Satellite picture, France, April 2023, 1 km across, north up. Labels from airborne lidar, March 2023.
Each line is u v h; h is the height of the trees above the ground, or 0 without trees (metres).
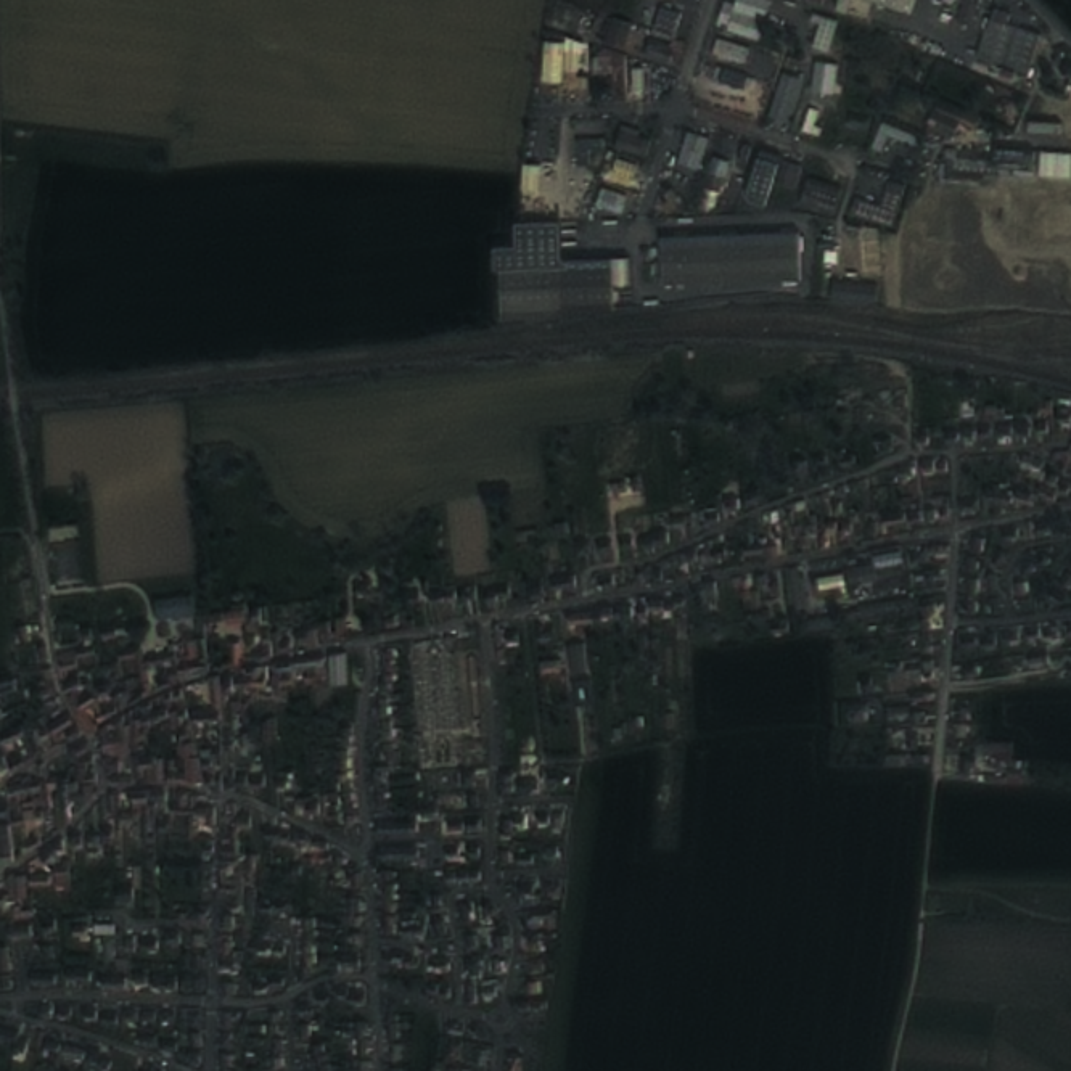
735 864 0
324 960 8
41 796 0
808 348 0
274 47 0
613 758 0
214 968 0
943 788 0
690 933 0
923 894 0
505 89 0
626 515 0
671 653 0
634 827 0
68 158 0
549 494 0
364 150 0
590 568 0
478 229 0
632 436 0
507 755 0
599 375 0
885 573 0
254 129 0
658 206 0
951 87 0
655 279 0
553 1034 0
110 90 0
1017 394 0
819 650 0
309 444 0
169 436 0
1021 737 0
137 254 0
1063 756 0
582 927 0
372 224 0
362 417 0
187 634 11
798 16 0
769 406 0
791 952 0
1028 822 0
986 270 0
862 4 0
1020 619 0
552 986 0
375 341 0
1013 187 0
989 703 0
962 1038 0
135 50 0
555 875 0
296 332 0
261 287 0
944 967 0
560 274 0
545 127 0
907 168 11
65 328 0
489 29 0
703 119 0
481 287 0
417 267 0
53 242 0
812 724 0
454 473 0
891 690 0
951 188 0
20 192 0
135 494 0
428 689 0
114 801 0
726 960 0
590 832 0
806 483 0
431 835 0
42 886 0
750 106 0
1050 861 0
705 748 0
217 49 0
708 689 0
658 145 0
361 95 0
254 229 0
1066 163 0
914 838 0
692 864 0
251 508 0
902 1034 0
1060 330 0
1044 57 0
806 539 0
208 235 0
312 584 0
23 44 0
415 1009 0
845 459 0
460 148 0
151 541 0
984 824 0
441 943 0
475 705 0
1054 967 0
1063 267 0
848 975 0
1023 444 0
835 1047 0
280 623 6
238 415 0
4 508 0
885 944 0
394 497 0
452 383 0
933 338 0
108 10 0
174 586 0
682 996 0
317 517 0
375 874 0
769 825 0
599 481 0
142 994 0
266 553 0
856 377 17
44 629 0
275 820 0
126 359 0
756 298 0
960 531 0
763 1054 0
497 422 0
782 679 0
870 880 0
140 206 0
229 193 0
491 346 0
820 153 0
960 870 0
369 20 0
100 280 0
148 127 0
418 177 0
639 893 0
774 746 0
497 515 10
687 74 0
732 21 0
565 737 0
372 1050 0
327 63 0
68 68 0
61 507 0
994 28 0
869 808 0
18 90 0
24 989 0
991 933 0
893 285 0
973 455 0
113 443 0
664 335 0
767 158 0
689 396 15
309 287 0
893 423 0
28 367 17
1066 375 0
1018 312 0
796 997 0
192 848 8
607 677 0
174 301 0
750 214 0
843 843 0
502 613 0
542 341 0
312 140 0
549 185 0
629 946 0
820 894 0
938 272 0
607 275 0
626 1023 0
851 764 9
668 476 0
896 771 0
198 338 0
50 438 0
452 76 0
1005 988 0
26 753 0
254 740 7
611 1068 0
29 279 0
